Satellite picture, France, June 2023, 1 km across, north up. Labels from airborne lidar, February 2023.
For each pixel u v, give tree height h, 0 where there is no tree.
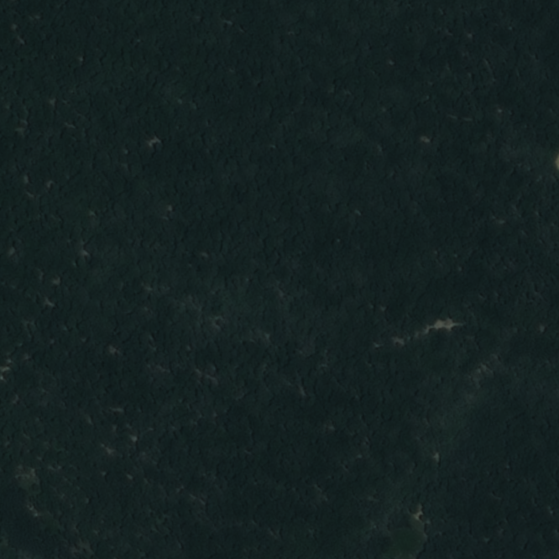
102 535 18
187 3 21
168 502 19
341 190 29
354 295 24
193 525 25
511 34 23
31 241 25
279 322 26
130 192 18
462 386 21
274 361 27
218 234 29
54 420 28
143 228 28
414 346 19
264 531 25
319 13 23
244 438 28
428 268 27
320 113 22
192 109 25
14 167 23
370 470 24
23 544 16
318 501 25
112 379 25
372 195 27
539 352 20
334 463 25
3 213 23
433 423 22
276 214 29
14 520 14
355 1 24
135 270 26
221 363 18
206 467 21
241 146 29
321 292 24
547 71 26
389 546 19
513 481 24
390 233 25
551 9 27
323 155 26
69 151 25
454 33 25
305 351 28
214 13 24
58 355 26
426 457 25
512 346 17
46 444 27
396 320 23
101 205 27
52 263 25
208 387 27
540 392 26
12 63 26
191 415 23
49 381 27
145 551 28
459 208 23
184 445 22
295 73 20
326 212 27
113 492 22
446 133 27
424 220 25
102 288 25
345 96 26
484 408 19
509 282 20
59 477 18
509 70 26
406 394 26
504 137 22
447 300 22
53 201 25
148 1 24
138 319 27
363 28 27
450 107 22
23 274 28
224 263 29
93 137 29
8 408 24
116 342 24
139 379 24
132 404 26
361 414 23
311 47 23
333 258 23
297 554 21
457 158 23
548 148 23
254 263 28
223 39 25
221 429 19
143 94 24
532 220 23
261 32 28
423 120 22
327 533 20
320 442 21
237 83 24
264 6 24
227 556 19
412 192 24
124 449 23
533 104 24
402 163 25
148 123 27
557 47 21
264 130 27
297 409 28
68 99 27
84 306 25
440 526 18
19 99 21
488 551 21
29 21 26
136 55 28
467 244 26
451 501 22
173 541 26
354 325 23
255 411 25
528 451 21
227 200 29
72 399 26
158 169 24
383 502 19
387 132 29
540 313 25
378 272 16
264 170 28
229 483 25
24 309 29
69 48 26
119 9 25
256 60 27
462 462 18
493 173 21
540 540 23
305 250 25
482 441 16
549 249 24
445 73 25
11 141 27
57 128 24
